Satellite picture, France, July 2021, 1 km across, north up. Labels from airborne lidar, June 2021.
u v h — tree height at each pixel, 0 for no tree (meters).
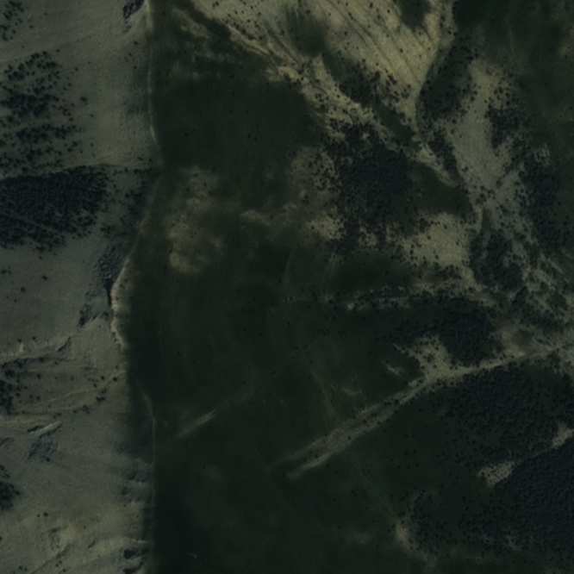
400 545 0
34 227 8
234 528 0
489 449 8
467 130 0
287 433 0
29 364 0
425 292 7
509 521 11
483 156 0
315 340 0
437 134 9
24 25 0
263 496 0
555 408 8
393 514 0
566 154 0
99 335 0
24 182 18
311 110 0
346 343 0
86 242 0
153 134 0
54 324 0
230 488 0
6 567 0
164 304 0
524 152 6
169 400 0
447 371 0
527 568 0
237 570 0
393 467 0
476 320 10
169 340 0
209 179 0
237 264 0
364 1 0
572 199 0
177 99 0
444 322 6
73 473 0
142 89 0
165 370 0
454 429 0
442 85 0
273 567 0
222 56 0
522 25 0
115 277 0
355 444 0
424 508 10
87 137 0
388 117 0
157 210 0
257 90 0
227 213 0
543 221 9
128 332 0
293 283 0
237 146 0
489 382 8
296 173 0
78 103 0
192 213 0
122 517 0
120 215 0
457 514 0
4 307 0
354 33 0
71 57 0
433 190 0
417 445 0
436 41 0
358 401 0
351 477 0
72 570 0
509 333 0
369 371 0
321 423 0
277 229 0
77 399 0
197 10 0
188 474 0
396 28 0
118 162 0
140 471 0
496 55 0
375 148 8
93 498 0
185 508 0
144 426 0
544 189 9
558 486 13
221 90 0
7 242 7
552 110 0
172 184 0
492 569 0
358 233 8
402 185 7
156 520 0
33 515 0
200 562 0
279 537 0
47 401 0
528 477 13
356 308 6
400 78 0
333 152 7
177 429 0
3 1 0
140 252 0
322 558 0
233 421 0
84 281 0
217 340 0
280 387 0
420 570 0
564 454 13
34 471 0
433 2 0
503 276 13
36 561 0
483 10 0
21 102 9
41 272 0
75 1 0
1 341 0
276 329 0
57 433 0
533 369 0
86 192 18
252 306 0
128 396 0
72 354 0
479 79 0
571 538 11
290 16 0
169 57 0
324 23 0
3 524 0
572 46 0
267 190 0
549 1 0
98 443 0
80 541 0
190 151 0
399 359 0
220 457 0
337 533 0
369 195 12
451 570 0
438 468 0
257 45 0
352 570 0
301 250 0
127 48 0
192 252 0
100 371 0
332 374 0
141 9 0
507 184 0
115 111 0
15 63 0
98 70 0
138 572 0
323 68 0
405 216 0
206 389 0
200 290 0
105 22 0
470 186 0
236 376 0
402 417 0
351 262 0
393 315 0
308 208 0
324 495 0
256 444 0
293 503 0
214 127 0
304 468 0
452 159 8
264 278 0
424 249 0
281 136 0
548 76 0
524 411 11
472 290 7
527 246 6
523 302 8
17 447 0
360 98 7
